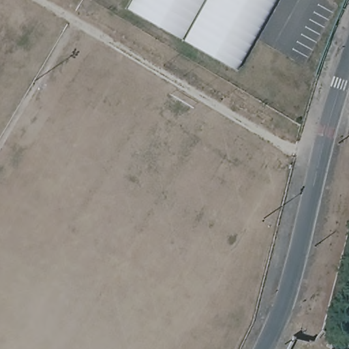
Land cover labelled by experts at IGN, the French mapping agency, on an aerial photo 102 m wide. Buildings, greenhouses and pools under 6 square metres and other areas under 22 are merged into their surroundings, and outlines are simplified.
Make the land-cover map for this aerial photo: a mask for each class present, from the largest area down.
<instances>
[{"label":"herbaceous vegetation","instance_id":"1","mask_svg":"<svg viewBox=\"0 0 349 349\"><path fill-rule=\"evenodd\" d=\"M70 25L67 19L60 18L55 12L33 0H0V135L22 101L20 87L26 85L30 76L37 78L45 72V65L52 56L50 50L53 44L59 38L63 27ZM90 23L91 26L97 27L112 40L128 46L143 56V59L184 79L188 85L210 95L245 119L266 128L282 140L296 143L300 142L303 135L305 119L314 101L316 83L320 78L318 68L324 49L329 45L335 23L337 20L341 22L344 16L341 11L345 0H327L334 7L330 12V22L324 23L320 30L322 34L318 35V44H314V50L303 63H296L292 57H286L279 50L259 41L247 64L244 67L239 65L230 68L202 50L196 49L195 46L189 45L188 42L181 41L169 31L140 18L130 11L132 0H49ZM46 89L56 101L55 112L46 119L44 127L38 131L37 138L30 145H16L19 140L25 138L26 128L16 127L0 150V349H237L249 322L255 316L260 285L269 264L270 244L274 243L275 234L273 228L263 229L262 218L264 214L277 209L281 204L286 177L284 165L289 162L286 160L288 154L274 146L270 140L247 130L243 125L234 123L192 95L170 85L168 80L158 78L142 65L119 55L104 42L95 40L85 31L78 29L70 35V40L61 50L59 60L48 71ZM348 82L344 90V105L335 127L303 270L290 309L289 316L294 319V329L299 331L290 349H333L326 341L324 327L349 232V76L345 79Z\"/></svg>","mask_w":349,"mask_h":349},{"label":"impervious surface","instance_id":"2","mask_svg":"<svg viewBox=\"0 0 349 349\"><path fill-rule=\"evenodd\" d=\"M334 7L327 0H274L239 65L244 67L247 64L259 41L279 50L286 57H292L296 63H303L314 50V44H318V35L322 34L320 30L324 23L330 22V12ZM344 16L341 22L337 20L335 23L329 45L324 49L318 68L320 78L316 83L314 101L305 119L303 135L300 142L296 143L294 154H288L286 160L289 162L284 165L286 177L281 204L277 209L264 214L262 218L263 229L273 228L275 234L274 243L270 244L269 264L260 285L255 316L249 322L237 349H290L299 331L294 329V319L289 316L290 309L303 270L335 127L344 105V90L348 82L345 79L349 76V0H345L341 11Z\"/></svg>","mask_w":349,"mask_h":349},{"label":"building","instance_id":"3","mask_svg":"<svg viewBox=\"0 0 349 349\"><path fill-rule=\"evenodd\" d=\"M274 0H132L130 11L140 18L169 31L181 41L188 42L189 45L195 46L196 49L202 50L230 68L239 65Z\"/></svg>","mask_w":349,"mask_h":349},{"label":"pervious surface","instance_id":"4","mask_svg":"<svg viewBox=\"0 0 349 349\"><path fill-rule=\"evenodd\" d=\"M55 12L60 18L67 19L70 25L63 27L59 38L53 44L50 50L52 56L45 65V72L37 78L30 76L26 85L20 87L22 101L0 135V150L16 127L26 128L25 138L19 140L16 145H30L37 138L38 131L44 127L46 119L55 112L56 101L46 89L48 71L59 60L61 50L70 40V35L78 29L85 31L95 40L104 42L119 55L142 65L158 78L168 80L170 85L192 95L234 123L243 125L247 130L270 140L274 146L288 154H294L296 143L282 140L266 128L245 119L210 95L188 85L184 79L143 59V56L128 46L112 40L97 27L91 26L90 23L49 0H33Z\"/></svg>","mask_w":349,"mask_h":349},{"label":"deciduous trees","instance_id":"5","mask_svg":"<svg viewBox=\"0 0 349 349\"><path fill-rule=\"evenodd\" d=\"M326 341L333 349H349V232L324 327Z\"/></svg>","mask_w":349,"mask_h":349}]
</instances>
